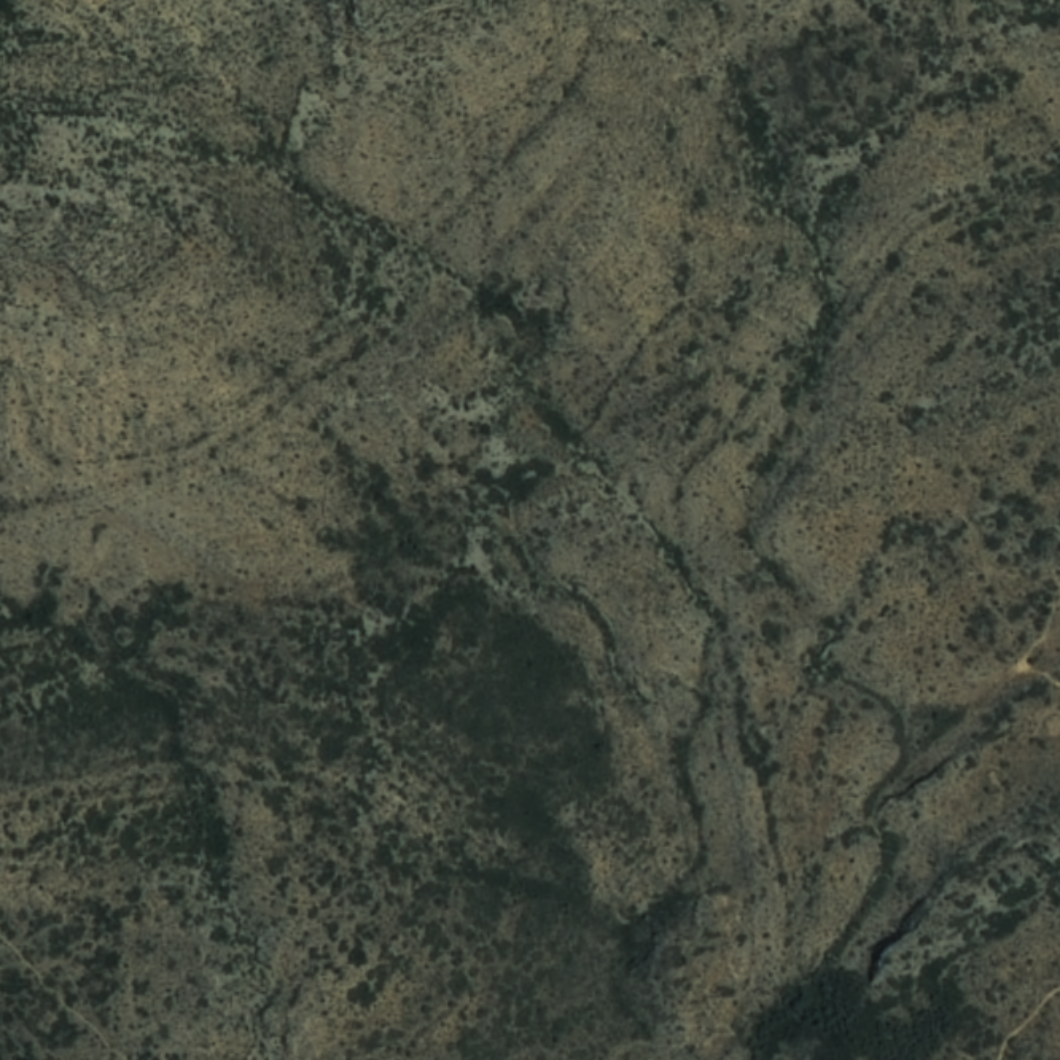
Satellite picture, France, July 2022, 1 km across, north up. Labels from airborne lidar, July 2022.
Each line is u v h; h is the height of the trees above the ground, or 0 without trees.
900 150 0
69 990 0
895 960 0
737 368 0
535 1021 0
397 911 0
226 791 0
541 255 0
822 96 0
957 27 0
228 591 0
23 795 0
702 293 0
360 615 0
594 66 0
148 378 0
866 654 0
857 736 0
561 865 0
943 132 0
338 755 0
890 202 0
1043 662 0
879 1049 6
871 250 0
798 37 0
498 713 0
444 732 0
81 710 0
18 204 0
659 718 0
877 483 0
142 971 0
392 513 0
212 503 0
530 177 0
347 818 0
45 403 0
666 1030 0
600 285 0
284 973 0
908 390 0
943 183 0
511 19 0
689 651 0
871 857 0
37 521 0
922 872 0
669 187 0
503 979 0
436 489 0
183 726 0
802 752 0
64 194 0
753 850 0
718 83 0
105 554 0
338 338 0
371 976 0
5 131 0
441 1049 0
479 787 0
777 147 0
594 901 0
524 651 0
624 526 0
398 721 0
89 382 0
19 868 0
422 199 0
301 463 0
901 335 0
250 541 0
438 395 0
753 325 0
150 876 0
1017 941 0
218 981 0
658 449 0
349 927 0
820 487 0
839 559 0
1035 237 0
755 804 0
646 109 0
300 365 0
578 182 0
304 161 0
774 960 0
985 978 0
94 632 0
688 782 0
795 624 0
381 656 0
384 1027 0
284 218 0
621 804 0
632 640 0
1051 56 0
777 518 0
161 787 0
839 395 0
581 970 0
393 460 0
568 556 0
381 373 0
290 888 0
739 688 0
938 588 0
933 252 0
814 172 0
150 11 0
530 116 0
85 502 0
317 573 0
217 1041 0
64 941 0
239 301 0
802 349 0
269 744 0
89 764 0
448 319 0
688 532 0
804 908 0
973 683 0
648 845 0
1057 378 0
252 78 0
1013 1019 0
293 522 0
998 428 0
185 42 0
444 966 0
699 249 0
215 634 0
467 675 0
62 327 0
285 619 0
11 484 0
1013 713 0
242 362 0
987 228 0
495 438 0
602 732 0
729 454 0
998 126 0
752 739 0
